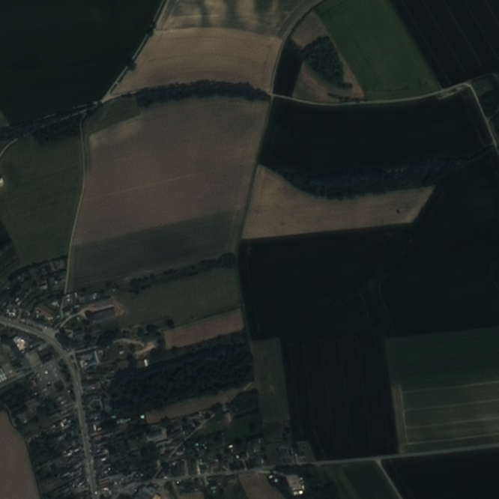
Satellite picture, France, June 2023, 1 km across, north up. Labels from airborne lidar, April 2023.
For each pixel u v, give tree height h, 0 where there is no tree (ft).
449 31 0
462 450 0
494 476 0
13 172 0
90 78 0
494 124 0
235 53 0
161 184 0
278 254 0
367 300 0
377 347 0
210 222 0
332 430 0
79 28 0
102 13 0
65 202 0
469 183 0
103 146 0
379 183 46
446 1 0
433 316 0
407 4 0
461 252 0
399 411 0
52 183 0
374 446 0
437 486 0
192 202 0
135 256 0
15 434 0
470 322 0
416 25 0
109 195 0
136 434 46
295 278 0
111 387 44
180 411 0
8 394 29
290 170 0
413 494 0
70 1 0
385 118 0
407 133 0
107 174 0
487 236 0
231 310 0
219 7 0
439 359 0
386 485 0
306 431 0
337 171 0
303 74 0
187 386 85
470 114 0
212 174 0
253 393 31
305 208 0
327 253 0
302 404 0
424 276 0
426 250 0
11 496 0
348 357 0
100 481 0
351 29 0
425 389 0
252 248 0
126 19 0
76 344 22
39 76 0
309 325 0
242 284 0
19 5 0
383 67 0
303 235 0
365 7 0
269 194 0
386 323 0
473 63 0
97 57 0
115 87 0
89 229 0
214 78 0
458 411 0
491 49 0
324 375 0
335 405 0
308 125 0
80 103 0
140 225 0
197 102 0
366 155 0
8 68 0
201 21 0
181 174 0
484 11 0
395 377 0
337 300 0
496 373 0
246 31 0
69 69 0
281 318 0
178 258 0
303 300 0
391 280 0
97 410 21
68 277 0
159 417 0
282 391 0
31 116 0
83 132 0
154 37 0
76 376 0
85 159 0
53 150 0
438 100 0
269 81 0
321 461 0
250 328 0
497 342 0
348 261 0
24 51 0
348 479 0
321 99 0
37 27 0
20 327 0
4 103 0
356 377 0
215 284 0
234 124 0
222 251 0
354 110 0
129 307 0
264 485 0
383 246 0
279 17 0
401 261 0
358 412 0
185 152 0
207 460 0
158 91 28
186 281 0
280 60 0
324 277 0
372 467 0
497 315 0
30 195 0
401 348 0
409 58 0
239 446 52
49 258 0
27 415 0
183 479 0
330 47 41
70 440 38
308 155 0
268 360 0
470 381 0
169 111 0
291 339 0
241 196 0
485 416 0
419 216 0
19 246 0
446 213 0
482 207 0
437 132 0
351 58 0
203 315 0
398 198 0
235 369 50
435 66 0
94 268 0
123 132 0
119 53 0
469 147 0
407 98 0
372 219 0
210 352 63
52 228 0
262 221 0
